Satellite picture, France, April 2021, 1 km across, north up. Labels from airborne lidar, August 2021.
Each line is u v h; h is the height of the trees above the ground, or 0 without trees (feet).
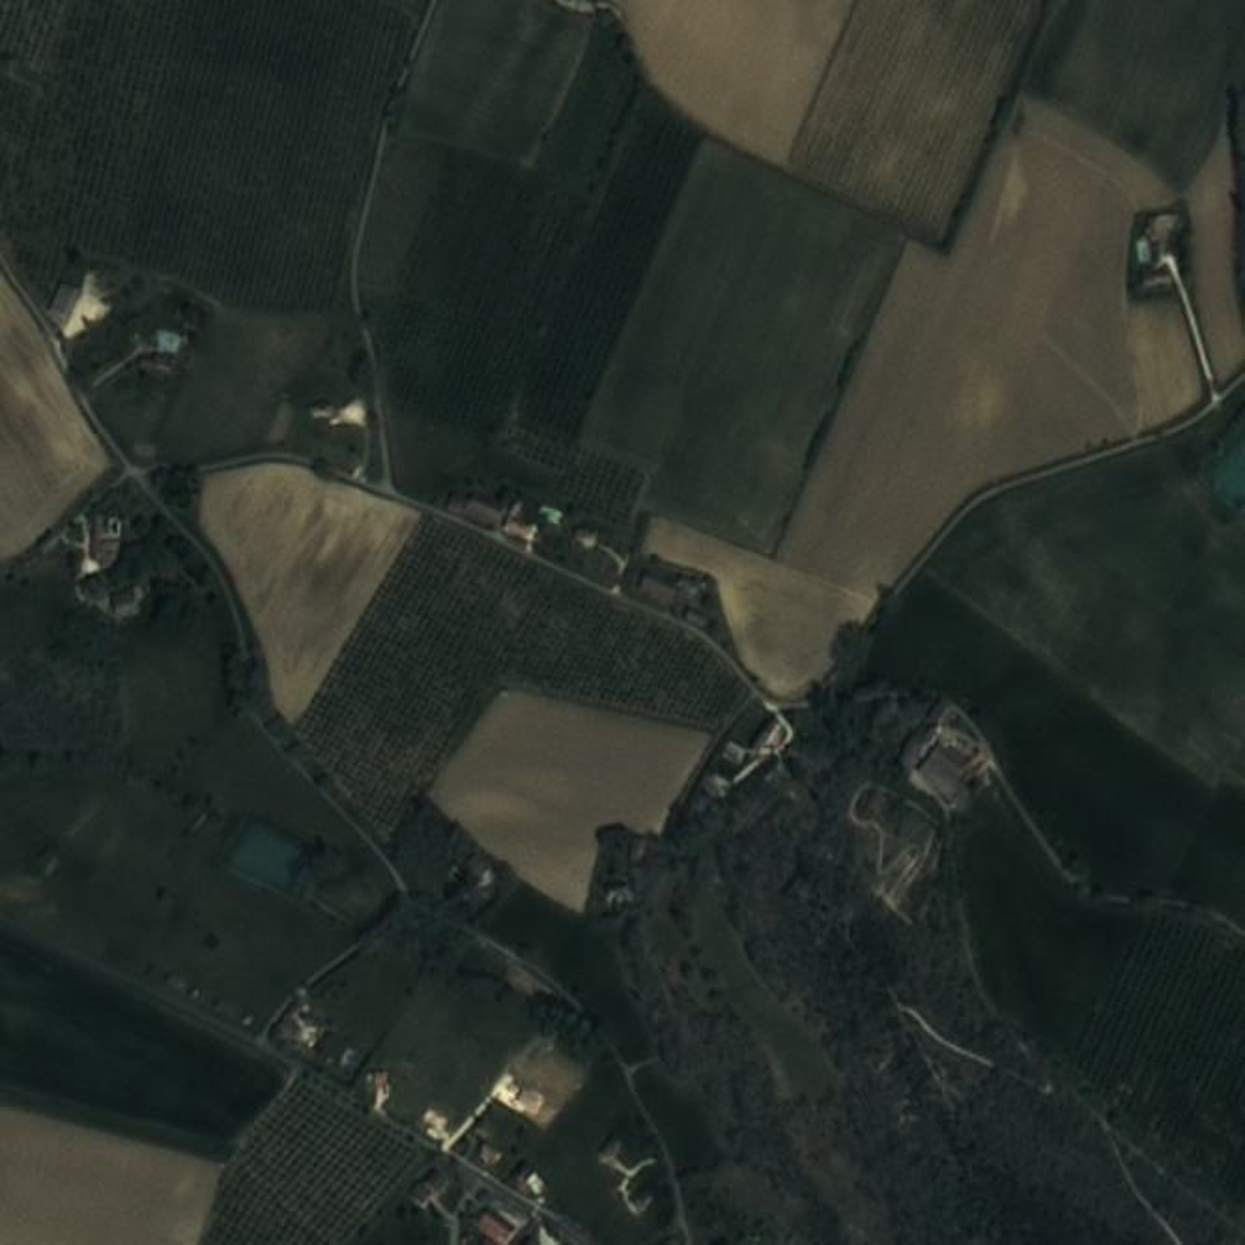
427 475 0
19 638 0
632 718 0
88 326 36
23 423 0
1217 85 0
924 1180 43
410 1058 0
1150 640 0
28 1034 0
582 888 0
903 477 0
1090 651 0
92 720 31
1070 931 0
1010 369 0
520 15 0
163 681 0
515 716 0
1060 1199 36
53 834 0
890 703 26
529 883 0
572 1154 0
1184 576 0
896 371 0
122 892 0
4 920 0
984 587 0
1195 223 0
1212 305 0
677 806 0
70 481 0
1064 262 0
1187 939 17
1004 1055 27
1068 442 0
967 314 0
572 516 30
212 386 0
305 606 0
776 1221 22
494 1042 0
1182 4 0
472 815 0
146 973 0
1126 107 0
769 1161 41
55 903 0
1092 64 0
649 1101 0
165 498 22
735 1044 55
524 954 41
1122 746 0
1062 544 0
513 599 0
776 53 0
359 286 0
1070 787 0
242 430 0
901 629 0
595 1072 0
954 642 0
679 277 0
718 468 0
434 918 64
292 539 0
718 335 0
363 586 0
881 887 0
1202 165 0
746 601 0
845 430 0
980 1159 21
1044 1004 0
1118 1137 49
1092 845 0
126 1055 0
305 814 0
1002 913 0
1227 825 0
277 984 0
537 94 0
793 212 0
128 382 19
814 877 21
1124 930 0
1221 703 0
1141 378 0
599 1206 0
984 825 0
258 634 0
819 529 0
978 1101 20
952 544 0
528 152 0
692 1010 43
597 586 0
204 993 0
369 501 0
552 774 0
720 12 0
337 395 0
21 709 22
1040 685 0
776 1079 34
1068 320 0
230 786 0
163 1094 0
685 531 0
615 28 24
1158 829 0
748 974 0
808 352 0
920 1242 47
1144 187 0
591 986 0
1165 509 0
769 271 0
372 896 0
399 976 0
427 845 33
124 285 0
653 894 50
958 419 0
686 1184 25
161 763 0
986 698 0
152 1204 0
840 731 75
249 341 0
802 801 0
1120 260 0
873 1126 55
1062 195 0
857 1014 22
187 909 0
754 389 0
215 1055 0
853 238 0
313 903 22
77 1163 0
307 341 0
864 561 0
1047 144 0
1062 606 0
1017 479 0
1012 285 0
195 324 0
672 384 0
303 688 0
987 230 0
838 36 0
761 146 0
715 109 0
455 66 0
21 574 28
